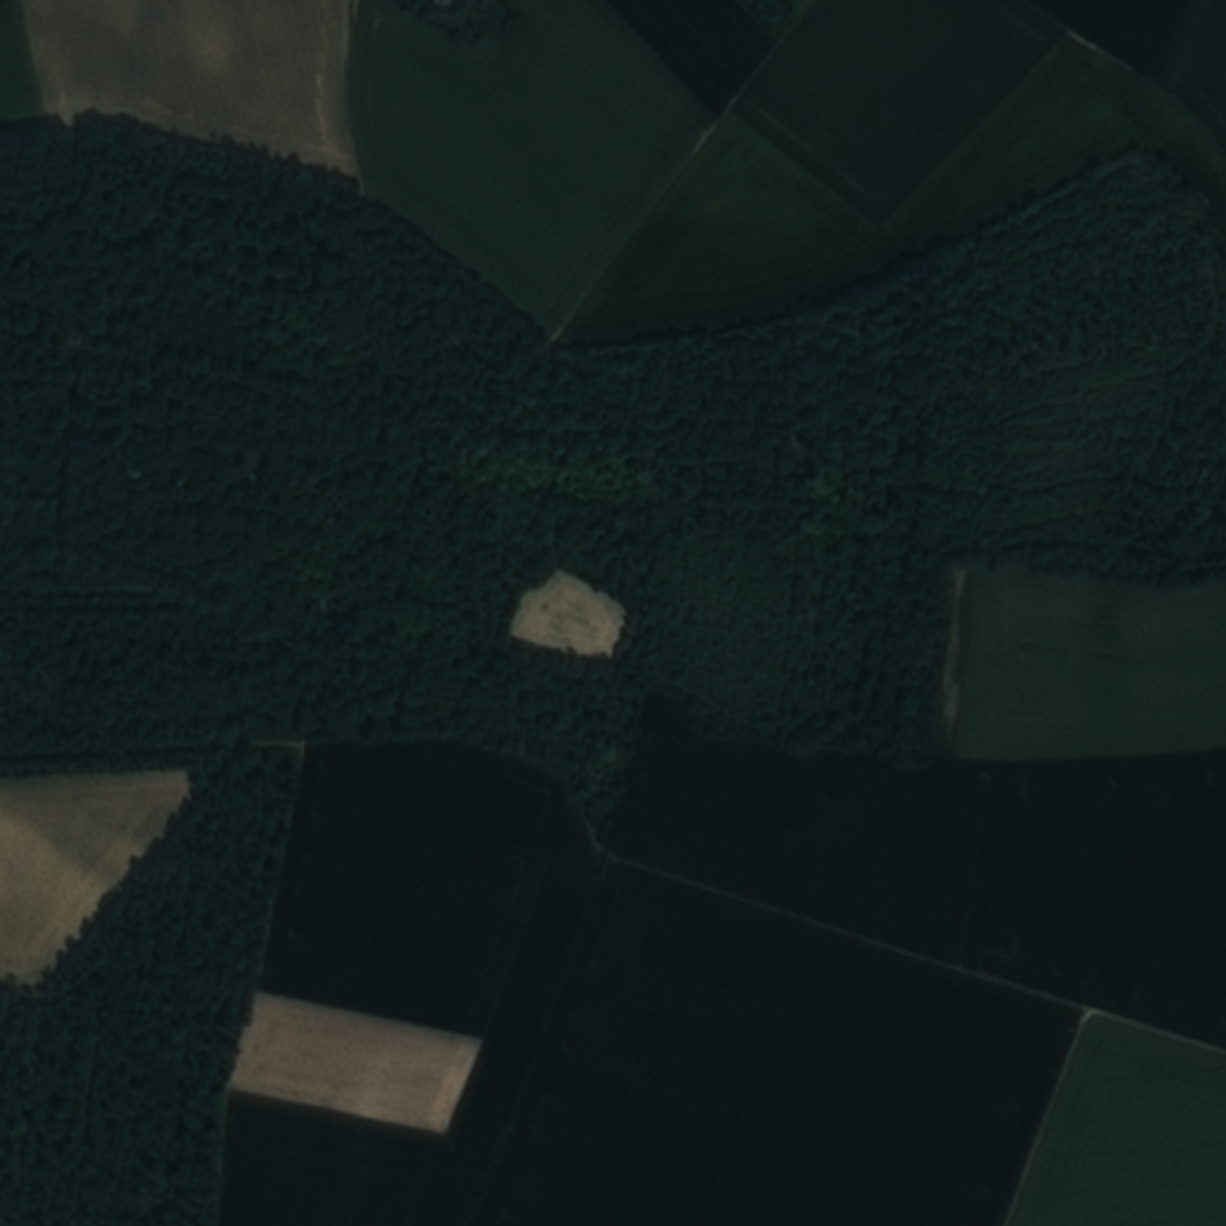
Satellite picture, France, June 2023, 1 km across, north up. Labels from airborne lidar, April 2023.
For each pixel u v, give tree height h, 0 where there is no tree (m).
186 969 22
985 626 0
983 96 0
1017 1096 0
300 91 0
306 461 24
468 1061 0
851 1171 0
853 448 18
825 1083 0
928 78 0
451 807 0
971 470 11
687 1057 0
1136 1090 0
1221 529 13
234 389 27
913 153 0
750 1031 0
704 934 0
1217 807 0
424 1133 0
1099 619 0
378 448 23
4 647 12
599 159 0
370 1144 0
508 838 0
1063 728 0
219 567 11
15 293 16
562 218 0
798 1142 0
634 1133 0
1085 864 0
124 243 22
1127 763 0
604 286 0
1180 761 0
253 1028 0
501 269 0
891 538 17
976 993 0
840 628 14
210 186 20
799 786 0
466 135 0
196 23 0
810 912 0
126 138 23
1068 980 0
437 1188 0
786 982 0
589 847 0
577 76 0
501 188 0
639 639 7
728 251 0
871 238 0
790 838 0
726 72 0
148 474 21
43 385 11
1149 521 15
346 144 0
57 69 0
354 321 17
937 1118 0
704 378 18
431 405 20
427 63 0
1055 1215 0
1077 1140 0
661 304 0
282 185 25
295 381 22
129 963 7
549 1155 0
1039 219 5
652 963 0
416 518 22
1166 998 0
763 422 18
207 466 17
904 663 6
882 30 0
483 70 0
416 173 0
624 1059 0
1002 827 0
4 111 0
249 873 22
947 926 0
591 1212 0
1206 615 0
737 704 5
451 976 0
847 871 0
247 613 17
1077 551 7
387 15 0
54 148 22
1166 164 13
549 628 0
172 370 22
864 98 0
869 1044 0
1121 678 0
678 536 15
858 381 24
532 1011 0
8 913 0
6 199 17
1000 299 16
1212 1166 0
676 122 0
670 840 0
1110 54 0
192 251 11
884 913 0
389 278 17
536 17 0
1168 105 0
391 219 16
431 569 10
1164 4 0
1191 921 0
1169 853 0
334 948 0
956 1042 0
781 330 18
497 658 17
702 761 0
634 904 0
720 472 17
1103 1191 0
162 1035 22
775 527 11
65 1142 13
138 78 0
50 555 9
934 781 0
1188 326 18
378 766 0
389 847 0
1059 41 0
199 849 21
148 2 0
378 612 15
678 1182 0
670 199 0
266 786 20
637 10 0
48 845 0
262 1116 0
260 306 11
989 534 8
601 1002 0
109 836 0
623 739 10
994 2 0
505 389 14
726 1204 0
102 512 21
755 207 0
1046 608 0
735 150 0
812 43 0
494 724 18
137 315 25
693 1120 0
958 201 0
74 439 20
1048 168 0
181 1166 15
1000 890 0
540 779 0
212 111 0
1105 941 0
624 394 12
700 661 5
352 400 18
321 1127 0
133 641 18
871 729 10
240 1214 0
